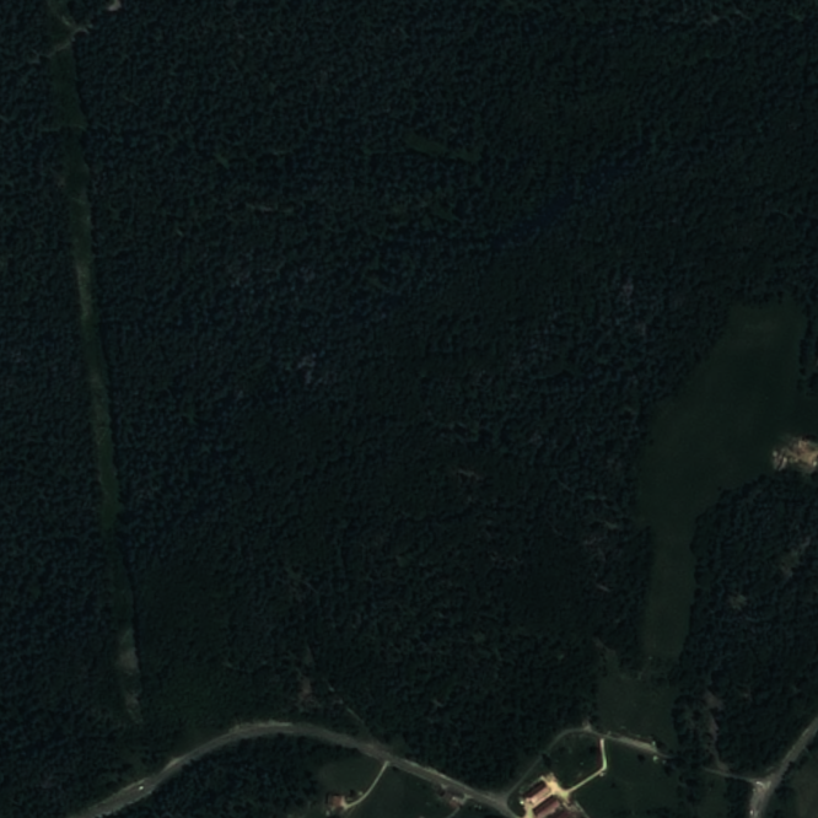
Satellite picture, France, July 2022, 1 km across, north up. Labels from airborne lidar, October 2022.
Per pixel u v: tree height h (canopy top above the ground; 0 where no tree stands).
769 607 22
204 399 29
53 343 38
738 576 17
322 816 0
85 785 16
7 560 21
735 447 0
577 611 22
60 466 27
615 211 29
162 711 15
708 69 19
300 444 23
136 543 28
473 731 16
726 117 23
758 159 20
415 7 26
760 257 18
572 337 15
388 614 21
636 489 22
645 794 0
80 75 15
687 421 0
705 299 21
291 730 0
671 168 31
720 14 26
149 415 26
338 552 28
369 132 32
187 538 18
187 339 30
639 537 13
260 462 28
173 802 24
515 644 24
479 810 8
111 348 20
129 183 20
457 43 21
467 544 19
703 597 21
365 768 0
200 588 23
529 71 9
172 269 32
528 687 21
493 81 13
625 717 0
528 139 23
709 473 0
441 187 18
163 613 23
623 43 20
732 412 0
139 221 18
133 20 27
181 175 27
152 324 25
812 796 0
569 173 15
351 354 31
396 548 21
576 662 6
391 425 34
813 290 8
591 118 22
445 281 25
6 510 30
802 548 24
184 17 21
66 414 28
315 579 24
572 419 20
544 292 23
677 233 22
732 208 28
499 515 25
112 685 13
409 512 23
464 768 6
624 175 15
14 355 40
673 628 0
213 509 24
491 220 10
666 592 0
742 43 22
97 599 31
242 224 8
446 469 22
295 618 19
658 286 24
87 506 27
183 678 14
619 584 12
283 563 24
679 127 26
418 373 29
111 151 33
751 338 0
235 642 19
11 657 19
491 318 34
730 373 0
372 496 23
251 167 12
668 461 0
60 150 21
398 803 0
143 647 16
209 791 6
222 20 14
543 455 28
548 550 24
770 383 0
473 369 21
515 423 20
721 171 27
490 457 25
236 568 25
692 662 14
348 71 28
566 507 26
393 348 27
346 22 17
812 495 22
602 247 29
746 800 11
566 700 21
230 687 16
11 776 21
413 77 28
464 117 18
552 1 16
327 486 24
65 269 16
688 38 20
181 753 0
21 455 21
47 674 25
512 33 15
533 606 24
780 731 14
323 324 35
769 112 29
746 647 23
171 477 34
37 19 21
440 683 20
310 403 28
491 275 24
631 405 24
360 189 18
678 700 8
